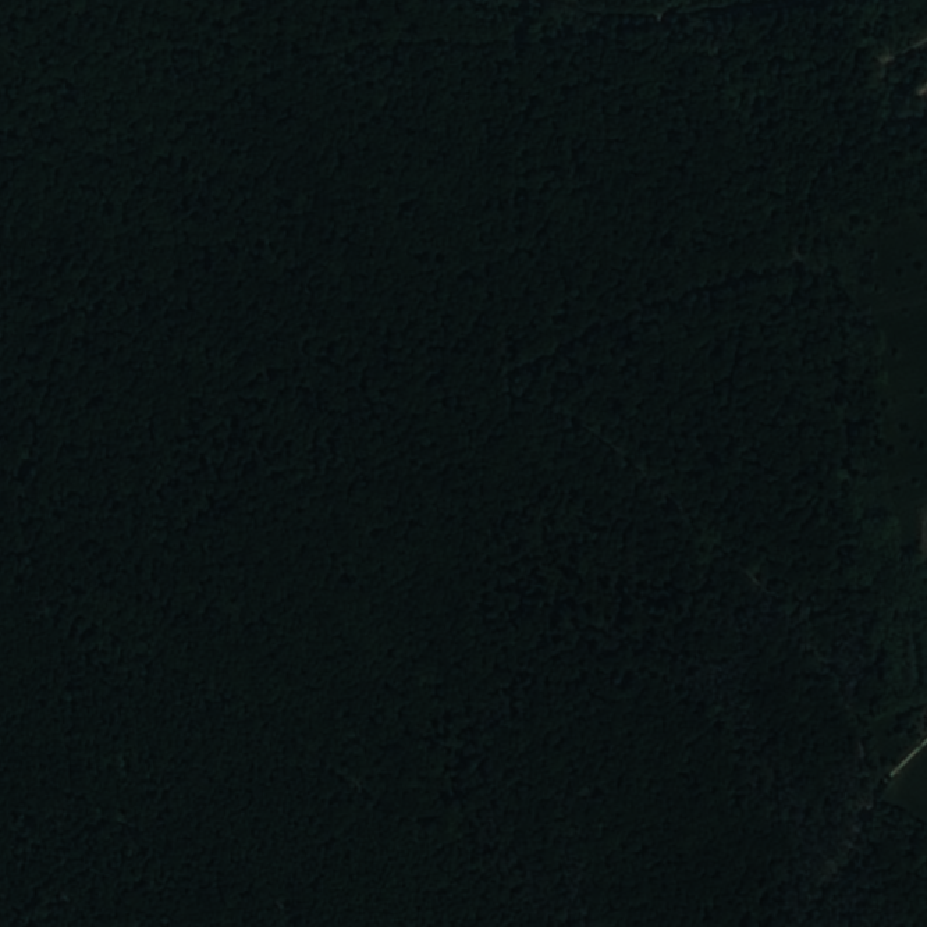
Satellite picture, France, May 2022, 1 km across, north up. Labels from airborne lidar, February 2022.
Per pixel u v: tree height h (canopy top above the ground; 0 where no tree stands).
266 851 28
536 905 19
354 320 30
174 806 29
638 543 27
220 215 29
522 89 32
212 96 28
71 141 29
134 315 28
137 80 28
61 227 30
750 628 23
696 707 19
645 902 24
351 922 26
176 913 30
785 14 27
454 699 29
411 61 32
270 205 31
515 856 22
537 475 29
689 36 30
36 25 29
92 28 29
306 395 31
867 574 24
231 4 28
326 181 30
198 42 27
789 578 26
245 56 28
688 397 33
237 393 27
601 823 28
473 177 33
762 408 30
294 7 30
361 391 29
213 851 29
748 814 28
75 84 32
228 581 28
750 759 28
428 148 31
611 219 34
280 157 26
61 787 29
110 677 28
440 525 33
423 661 30
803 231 21
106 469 27
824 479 32
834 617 27
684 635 28
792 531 28
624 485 28
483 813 23
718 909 27
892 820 24
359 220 29
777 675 25
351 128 29
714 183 31
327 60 30
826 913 26
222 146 30
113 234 26
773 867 29
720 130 36
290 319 30
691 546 29
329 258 30
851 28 34
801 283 29
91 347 27
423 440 31
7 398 27
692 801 28
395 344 28
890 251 0
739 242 31
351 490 31
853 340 23
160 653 27
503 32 27
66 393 27
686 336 33
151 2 25
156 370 30
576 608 33
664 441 31
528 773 28
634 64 34
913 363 0
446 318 28
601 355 32
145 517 28
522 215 32
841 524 33
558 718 27
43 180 30
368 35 27
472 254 29
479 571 28
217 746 29
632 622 27
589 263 33
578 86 34
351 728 28
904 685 19
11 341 28
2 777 29
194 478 28
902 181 24
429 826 27
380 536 29
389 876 24
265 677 29
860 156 31
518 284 31
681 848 26
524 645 26
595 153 34
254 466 31
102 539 27
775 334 34
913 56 11
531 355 29
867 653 27
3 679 29
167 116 26
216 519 28
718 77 30
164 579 27
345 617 27
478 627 28
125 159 29
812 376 34
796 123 26
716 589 26
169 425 29
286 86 30
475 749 25
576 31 22
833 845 27
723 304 33
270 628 29
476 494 32
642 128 33
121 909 31
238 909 29
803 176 21
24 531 29
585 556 30
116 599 26
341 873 25
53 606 27
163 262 28
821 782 25
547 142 30
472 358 31
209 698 27
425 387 31
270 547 29
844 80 27
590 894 27
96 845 29
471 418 28
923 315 0
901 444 0
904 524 0
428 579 28
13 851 29
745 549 29
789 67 31
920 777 0
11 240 29
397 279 30
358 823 26
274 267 29
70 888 32
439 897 24
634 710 29
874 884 26
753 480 33
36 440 28
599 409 30
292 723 25
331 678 29
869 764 13
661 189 32
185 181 27
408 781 30
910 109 22
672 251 28
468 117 31
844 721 30
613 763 29
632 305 25
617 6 17
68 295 23
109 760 27
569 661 25
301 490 31
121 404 28
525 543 32
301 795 27
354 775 24
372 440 30
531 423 29
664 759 28
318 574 24
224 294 31
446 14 32
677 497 24
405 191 32
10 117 30
